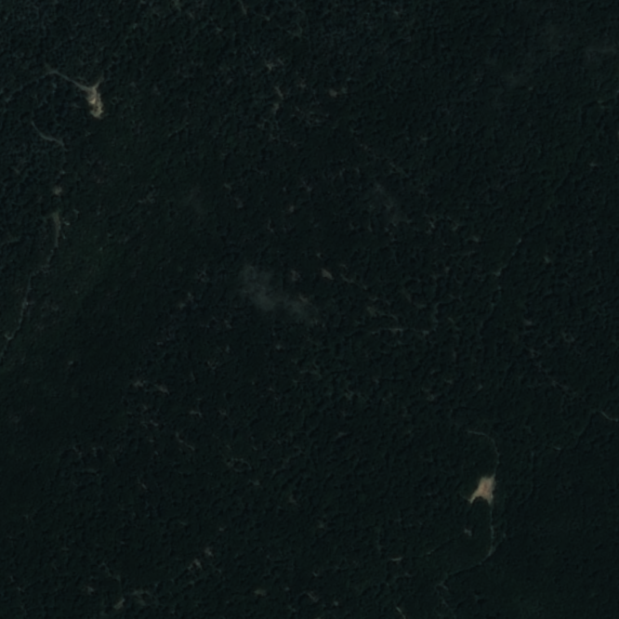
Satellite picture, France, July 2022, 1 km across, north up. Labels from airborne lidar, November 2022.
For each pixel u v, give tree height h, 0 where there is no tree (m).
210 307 23
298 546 19
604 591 24
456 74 26
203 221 20
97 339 26
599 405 14
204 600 19
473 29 23
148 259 23
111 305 20
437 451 17
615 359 15
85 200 17
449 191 20
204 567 17
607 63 20
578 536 19
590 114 27
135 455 23
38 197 24
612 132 27
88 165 17
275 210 21
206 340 20
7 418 22
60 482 25
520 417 19
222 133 23
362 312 24
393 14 24
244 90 18
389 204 20
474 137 10
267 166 22
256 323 22
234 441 17
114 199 14
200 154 20
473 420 24
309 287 21
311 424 17
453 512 21
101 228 14
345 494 13
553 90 24
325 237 23
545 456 25
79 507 18
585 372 19
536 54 21
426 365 17
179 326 24
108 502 21
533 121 19
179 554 18
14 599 24
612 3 19
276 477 16
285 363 23
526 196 20
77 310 14
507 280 21
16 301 13
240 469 19
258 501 25
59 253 16
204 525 17
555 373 22
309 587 16
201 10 23
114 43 22
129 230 20
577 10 20
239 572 15
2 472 20
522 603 13
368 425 16
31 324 13
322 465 18
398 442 19
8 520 19
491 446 8
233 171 18
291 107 19
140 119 12
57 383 23
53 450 22
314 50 12
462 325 19
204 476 19
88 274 6
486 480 0
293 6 31
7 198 27
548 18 22
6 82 23
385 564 11
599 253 20
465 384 15
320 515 22
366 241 21
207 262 21
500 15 22
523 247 22
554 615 15
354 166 24
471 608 24
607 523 18
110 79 20
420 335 15
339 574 17
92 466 28
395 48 25
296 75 21
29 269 12
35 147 24
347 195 24
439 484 21
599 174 18
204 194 22
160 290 25
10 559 21
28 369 19
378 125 21
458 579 20
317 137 19
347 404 18
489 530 16
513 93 22
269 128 24
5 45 11
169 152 20
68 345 25
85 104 16
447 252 20
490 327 22
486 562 10
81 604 14
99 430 21
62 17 10
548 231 23
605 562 22
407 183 25
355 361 20
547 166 20
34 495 19
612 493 20
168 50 18
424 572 18
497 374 18
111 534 19
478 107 21
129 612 18
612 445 20
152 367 26
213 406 21
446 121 21
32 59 16
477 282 20
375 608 17
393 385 17
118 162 14
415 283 24
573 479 22
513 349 24
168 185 18
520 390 14
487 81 22
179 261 23
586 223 12
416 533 14
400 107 23
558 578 14
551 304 16
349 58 15
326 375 17
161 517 20
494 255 17
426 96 20
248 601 17
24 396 22
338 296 15
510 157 17
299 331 21
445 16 18
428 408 18
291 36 17
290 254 20
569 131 17
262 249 22
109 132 7
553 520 16
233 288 25
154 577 9
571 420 19
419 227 21
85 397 24
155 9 19
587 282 17
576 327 17
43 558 18
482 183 20
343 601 19
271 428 19
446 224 21
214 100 17
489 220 17
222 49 7
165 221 19
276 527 23
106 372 24
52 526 18
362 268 18
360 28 26
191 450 18
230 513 26
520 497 16
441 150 18
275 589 19
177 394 20
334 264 20
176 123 23
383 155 17
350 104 23
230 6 8
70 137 20
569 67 17
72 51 12
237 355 21
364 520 17
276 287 27
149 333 24
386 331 16
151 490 25
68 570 20
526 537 23
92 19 23
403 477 15
